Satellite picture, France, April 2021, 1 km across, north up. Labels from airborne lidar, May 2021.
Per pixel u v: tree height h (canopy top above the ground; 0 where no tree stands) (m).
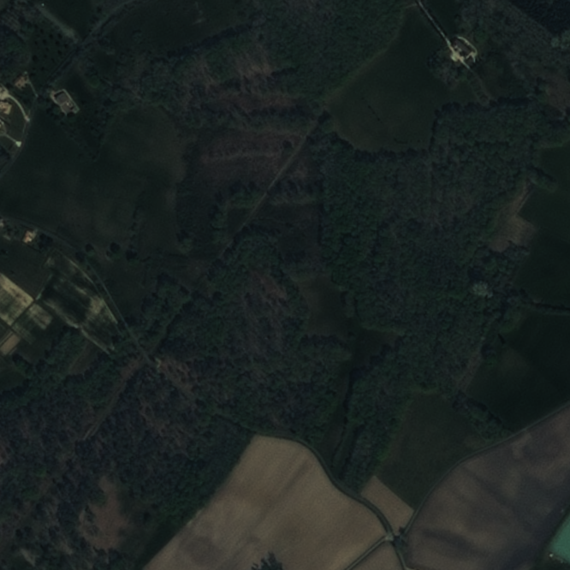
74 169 0
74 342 16
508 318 26
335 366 20
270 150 15
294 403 11
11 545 0
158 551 0
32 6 12
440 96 0
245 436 24
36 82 8
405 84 0
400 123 0
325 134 11
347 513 0
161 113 0
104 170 0
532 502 0
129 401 16
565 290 0
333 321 0
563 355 0
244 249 21
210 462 12
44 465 17
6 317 0
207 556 0
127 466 16
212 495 17
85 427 20
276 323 18
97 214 0
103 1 16
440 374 17
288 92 13
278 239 19
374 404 22
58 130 0
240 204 26
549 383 0
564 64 30
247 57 16
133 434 15
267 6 23
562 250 0
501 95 0
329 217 30
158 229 0
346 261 21
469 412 10
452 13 0
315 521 0
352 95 0
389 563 0
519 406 0
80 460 20
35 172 0
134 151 0
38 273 0
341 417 0
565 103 0
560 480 0
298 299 22
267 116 16
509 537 0
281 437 0
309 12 18
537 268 0
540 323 0
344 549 0
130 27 0
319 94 22
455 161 11
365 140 0
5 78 21
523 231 0
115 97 16
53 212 0
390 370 17
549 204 0
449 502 0
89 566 11
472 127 19
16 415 25
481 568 0
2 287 0
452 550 0
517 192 24
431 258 23
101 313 0
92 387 20
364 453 20
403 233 21
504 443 0
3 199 0
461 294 27
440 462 0
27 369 15
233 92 15
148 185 0
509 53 29
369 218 26
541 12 13
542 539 0
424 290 27
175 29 0
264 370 21
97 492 20
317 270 23
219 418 12
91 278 0
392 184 24
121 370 12
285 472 0
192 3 0
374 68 0
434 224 18
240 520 0
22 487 23
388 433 19
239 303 16
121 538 0
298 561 0
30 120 0
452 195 18
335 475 0
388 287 27
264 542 0
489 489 0
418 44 0
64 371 21
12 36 24
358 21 24
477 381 0
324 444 0
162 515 17
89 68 18
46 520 24
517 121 27
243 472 0
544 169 0
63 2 0
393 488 0
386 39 20
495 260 19
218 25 0
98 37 7
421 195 19
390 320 22
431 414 0
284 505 0
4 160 18
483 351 8
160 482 19
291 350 24
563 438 0
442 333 24
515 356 0
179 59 16
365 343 0
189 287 7
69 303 0
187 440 13
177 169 0
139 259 17
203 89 17
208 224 6
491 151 23
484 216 23
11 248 0
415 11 0
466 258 26
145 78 11
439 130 18
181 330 20
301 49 22
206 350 25
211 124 19
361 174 27
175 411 19
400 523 0
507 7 29
